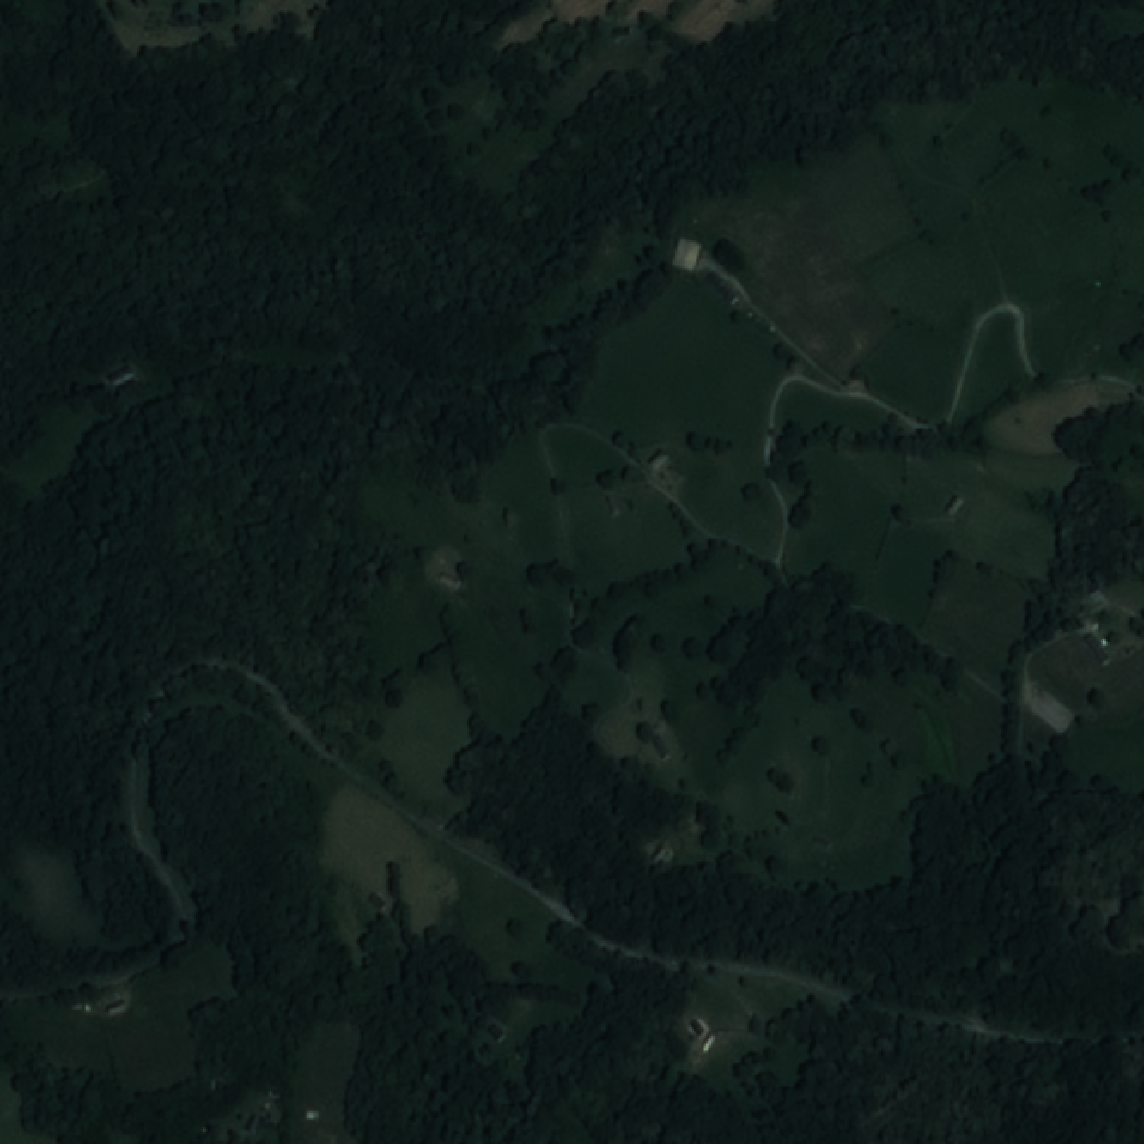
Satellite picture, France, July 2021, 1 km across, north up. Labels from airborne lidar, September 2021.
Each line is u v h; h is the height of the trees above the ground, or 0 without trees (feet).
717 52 59
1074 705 0
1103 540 82
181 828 70
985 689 0
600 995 68
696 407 0
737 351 0
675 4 29
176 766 55
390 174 52
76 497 42
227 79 52
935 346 0
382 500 0
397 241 52
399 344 81
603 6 0
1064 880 74
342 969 31
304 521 74
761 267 0
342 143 84
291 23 47
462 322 69
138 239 40
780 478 31
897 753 49
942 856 50
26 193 55
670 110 62
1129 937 72
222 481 74
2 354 73
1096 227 0
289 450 76
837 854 0
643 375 0
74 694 78
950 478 0
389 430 81
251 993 66
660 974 67
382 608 74
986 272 0
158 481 64
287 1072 25
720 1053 0
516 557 0
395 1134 44
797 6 30
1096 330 0
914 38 71
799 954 68
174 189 69
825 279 0
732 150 85
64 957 75
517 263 60
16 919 30
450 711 0
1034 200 0
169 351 96
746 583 0
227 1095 35
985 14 62
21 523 31
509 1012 33
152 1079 0
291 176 28
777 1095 65
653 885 48
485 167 0
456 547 0
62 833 67
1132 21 0
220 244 86
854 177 0
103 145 72
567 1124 62
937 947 95
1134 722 0
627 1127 66
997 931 70
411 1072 38
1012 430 0
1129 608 0
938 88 91
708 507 0
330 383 75
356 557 82
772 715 0
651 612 0
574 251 84
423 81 65
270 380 94
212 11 78
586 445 0
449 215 60
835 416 0
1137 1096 32
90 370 61
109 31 91
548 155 34
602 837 68
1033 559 0
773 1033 51
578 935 75
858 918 81
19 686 60
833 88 65
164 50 28
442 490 68
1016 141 36
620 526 0
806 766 0
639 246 0
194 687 47
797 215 0
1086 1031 49
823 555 0
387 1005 65
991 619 0
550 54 41
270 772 86
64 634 72
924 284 0
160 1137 31
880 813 0
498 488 0
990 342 0
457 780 60
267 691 71
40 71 29
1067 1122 78
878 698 0
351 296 69
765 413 0
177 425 41
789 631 40
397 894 61
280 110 63
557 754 56
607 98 86
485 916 0
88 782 48
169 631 55
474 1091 81
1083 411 0
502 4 52
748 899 93
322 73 41
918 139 0
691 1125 82
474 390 39
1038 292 0
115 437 73
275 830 84
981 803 63
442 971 34
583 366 59
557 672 41
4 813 48
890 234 0
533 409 81
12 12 57
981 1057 73
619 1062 78
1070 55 65
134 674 58
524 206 31
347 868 0
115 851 64
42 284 72
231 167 38
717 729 0
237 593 50
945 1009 61
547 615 0
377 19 75
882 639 53
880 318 0
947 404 0
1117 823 87
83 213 66
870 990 58
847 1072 75
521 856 44
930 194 0
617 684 0
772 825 0
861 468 0
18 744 75
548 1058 71
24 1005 27
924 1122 91
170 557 53
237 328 59
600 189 63
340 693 86
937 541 0
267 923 78
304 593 76
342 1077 0
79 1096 74
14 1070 21
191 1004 0
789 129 91
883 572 0
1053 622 55
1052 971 61
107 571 72
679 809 62
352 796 0
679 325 0
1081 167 0
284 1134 31
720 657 60
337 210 32
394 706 70
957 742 0
